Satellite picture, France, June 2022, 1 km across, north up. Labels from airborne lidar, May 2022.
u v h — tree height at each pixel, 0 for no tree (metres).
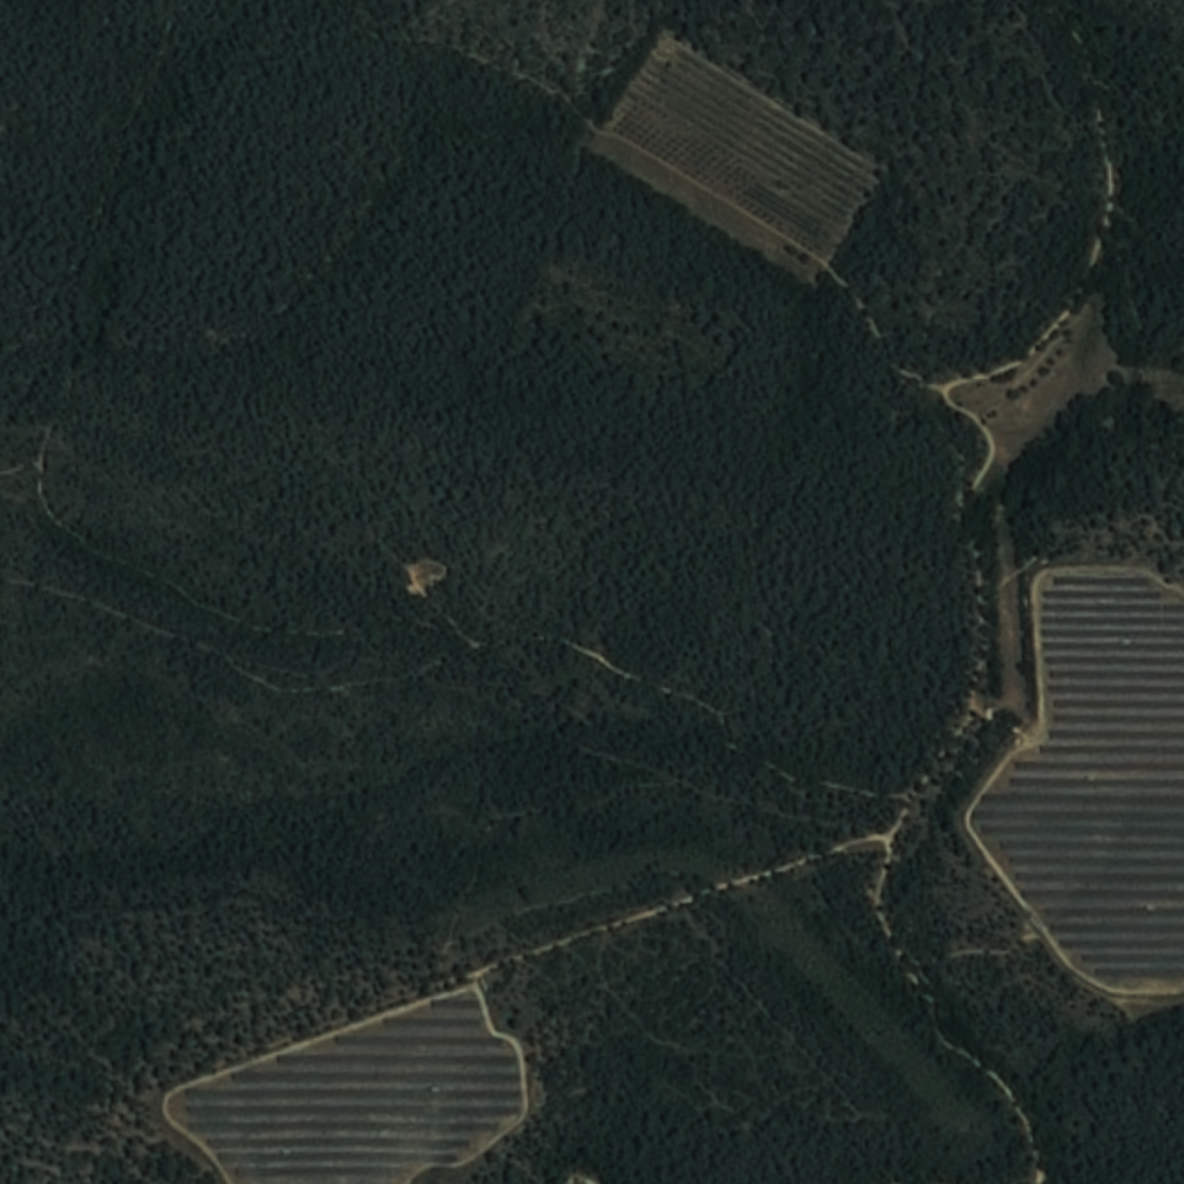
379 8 9
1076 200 14
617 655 10
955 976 12
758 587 6
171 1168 18
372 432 7
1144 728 0
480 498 12
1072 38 12
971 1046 10
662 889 6
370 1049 0
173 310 15
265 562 12
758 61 16
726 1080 6
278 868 9
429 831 7
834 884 12
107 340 14
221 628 11
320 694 8
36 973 13
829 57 18
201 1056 6
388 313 14
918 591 8
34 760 5
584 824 10
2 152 17
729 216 0
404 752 13
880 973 7
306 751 11
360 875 13
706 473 14
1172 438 12
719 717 6
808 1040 11
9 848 17
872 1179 6
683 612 14
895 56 15
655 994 6
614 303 9
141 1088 15
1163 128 6
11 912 15
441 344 16
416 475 12
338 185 18
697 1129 15
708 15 15
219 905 12
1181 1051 15
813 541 14
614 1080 18
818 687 14
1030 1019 8
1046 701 0
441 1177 0
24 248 16
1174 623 0
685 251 16
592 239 15
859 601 11
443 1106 0
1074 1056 7
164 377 15
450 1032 0
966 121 18
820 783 7
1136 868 0
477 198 15
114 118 11
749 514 12
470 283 16
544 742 13
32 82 16
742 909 15
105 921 14
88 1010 10
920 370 14
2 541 11
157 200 8
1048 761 0
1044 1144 7
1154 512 16
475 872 6
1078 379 0
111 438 8
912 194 10
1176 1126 17
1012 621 0
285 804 14
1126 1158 14
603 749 12
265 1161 0
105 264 19
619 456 9
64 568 9
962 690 10
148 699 10
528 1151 12
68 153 18
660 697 12
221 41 11
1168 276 6
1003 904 8
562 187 15
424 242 16
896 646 20
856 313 17
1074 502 9
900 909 18
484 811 10
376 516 13
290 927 8
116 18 19
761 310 17
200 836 6
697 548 13
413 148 16
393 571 11
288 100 11
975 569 18
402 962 7
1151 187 12
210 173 17
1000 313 16
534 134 10
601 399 15
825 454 12
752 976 15
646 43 7
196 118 16
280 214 13
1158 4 7
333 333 16
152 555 9
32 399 10
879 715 16
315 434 7
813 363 12
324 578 11
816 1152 17
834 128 16
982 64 17
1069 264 15
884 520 13
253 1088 0
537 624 13
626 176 7
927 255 8
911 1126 13
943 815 10
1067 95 16
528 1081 0
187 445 8
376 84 17
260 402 10
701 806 6
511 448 16
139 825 14
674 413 15
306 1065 0
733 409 7
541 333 8
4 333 15
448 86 11
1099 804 0
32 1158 13
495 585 12
